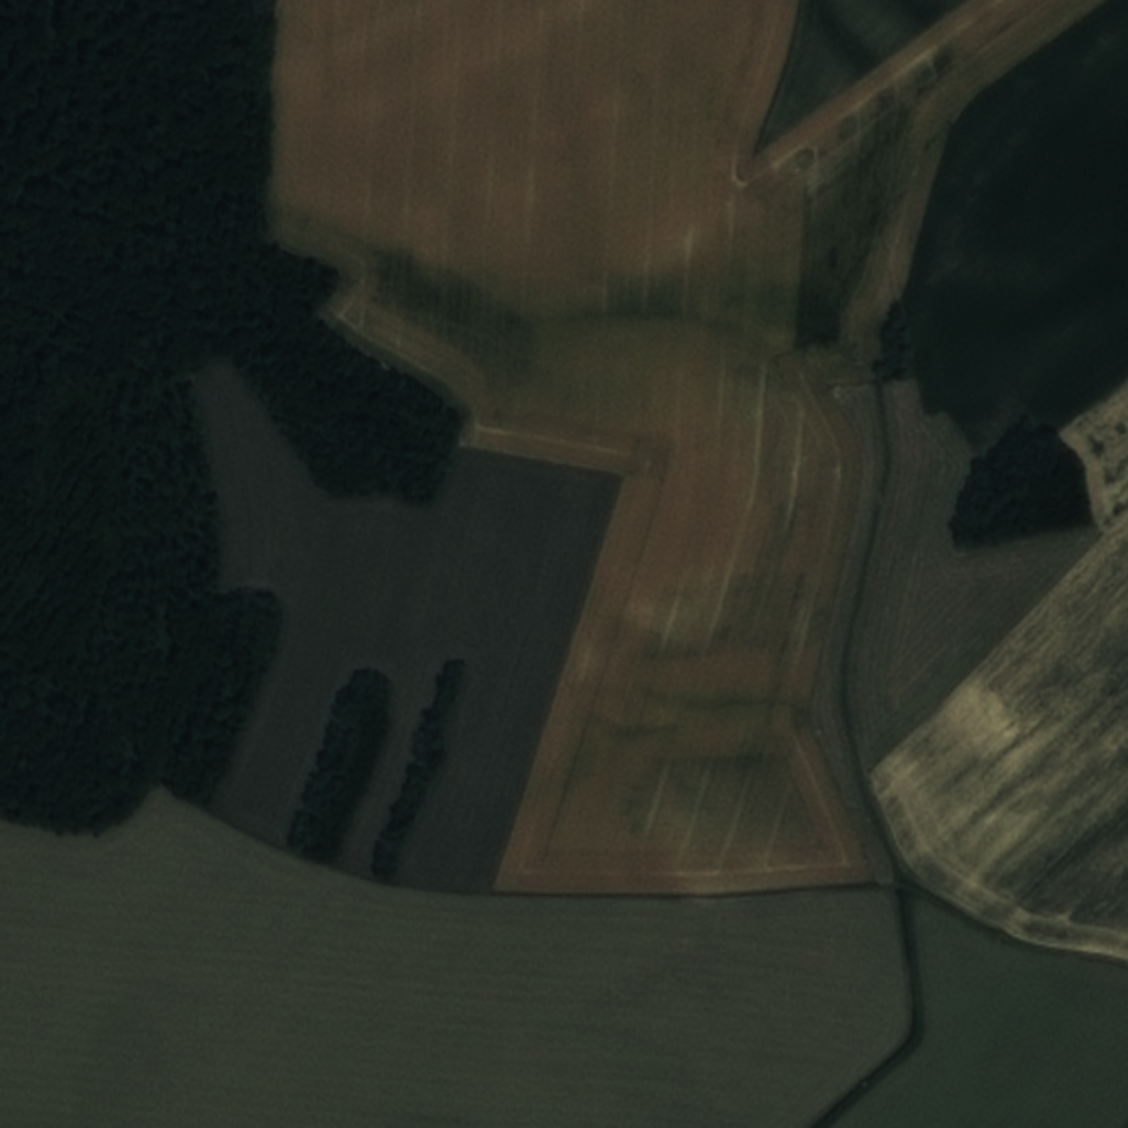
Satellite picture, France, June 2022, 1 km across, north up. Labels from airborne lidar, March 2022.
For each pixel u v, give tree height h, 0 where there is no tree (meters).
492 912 0
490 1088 0
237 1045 0
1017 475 19
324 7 0
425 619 0
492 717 0
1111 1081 0
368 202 0
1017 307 0
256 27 17
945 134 0
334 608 0
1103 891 0
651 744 0
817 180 0
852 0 0
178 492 25
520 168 0
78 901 0
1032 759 0
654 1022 0
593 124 0
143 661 17
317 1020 0
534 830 0
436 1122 0
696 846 0
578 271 0
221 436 0
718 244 0
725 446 0
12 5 23
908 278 0
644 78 0
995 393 0
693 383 0
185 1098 0
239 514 0
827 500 0
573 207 0
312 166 0
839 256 0
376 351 0
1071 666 0
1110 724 0
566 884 0
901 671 0
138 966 0
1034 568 0
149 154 26
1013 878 0
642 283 0
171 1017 0
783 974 0
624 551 0
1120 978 0
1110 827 0
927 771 0
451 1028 0
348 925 0
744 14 0
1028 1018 0
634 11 0
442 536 0
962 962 0
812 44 0
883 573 0
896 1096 0
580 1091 0
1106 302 0
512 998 0
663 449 0
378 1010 0
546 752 0
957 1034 0
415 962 0
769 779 0
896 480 0
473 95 0
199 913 0
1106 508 0
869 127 0
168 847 0
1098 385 0
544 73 0
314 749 0
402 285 0
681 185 0
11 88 25
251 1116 0
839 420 0
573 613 0
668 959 0
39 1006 0
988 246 0
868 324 0
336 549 0
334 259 0
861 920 0
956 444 0
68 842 0
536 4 0
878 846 0
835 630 0
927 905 0
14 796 20
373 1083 0
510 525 0
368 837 0
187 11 23
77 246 21
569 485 0
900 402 0
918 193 0
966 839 0
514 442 0
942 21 0
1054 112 0
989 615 0
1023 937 0
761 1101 0
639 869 0
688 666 0
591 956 0
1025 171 0
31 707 20
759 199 0
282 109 0
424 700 0
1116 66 0
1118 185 0
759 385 0
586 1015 0
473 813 0
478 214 0
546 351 0
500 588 0
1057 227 0
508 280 0
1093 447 0
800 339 0
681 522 0
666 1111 0
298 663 0
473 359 0
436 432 18
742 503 0
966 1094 0
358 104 0
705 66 0
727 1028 0
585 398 0
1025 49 0
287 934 0
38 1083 0
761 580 0
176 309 24
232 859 0
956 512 0
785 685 0
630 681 0
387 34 0
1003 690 0
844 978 0
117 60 19
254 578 0
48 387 21
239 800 0
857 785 0
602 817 0
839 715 0
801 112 0
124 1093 0
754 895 0
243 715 17
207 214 29
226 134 24
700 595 0
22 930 0
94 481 7
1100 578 0
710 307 0
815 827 0
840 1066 0
